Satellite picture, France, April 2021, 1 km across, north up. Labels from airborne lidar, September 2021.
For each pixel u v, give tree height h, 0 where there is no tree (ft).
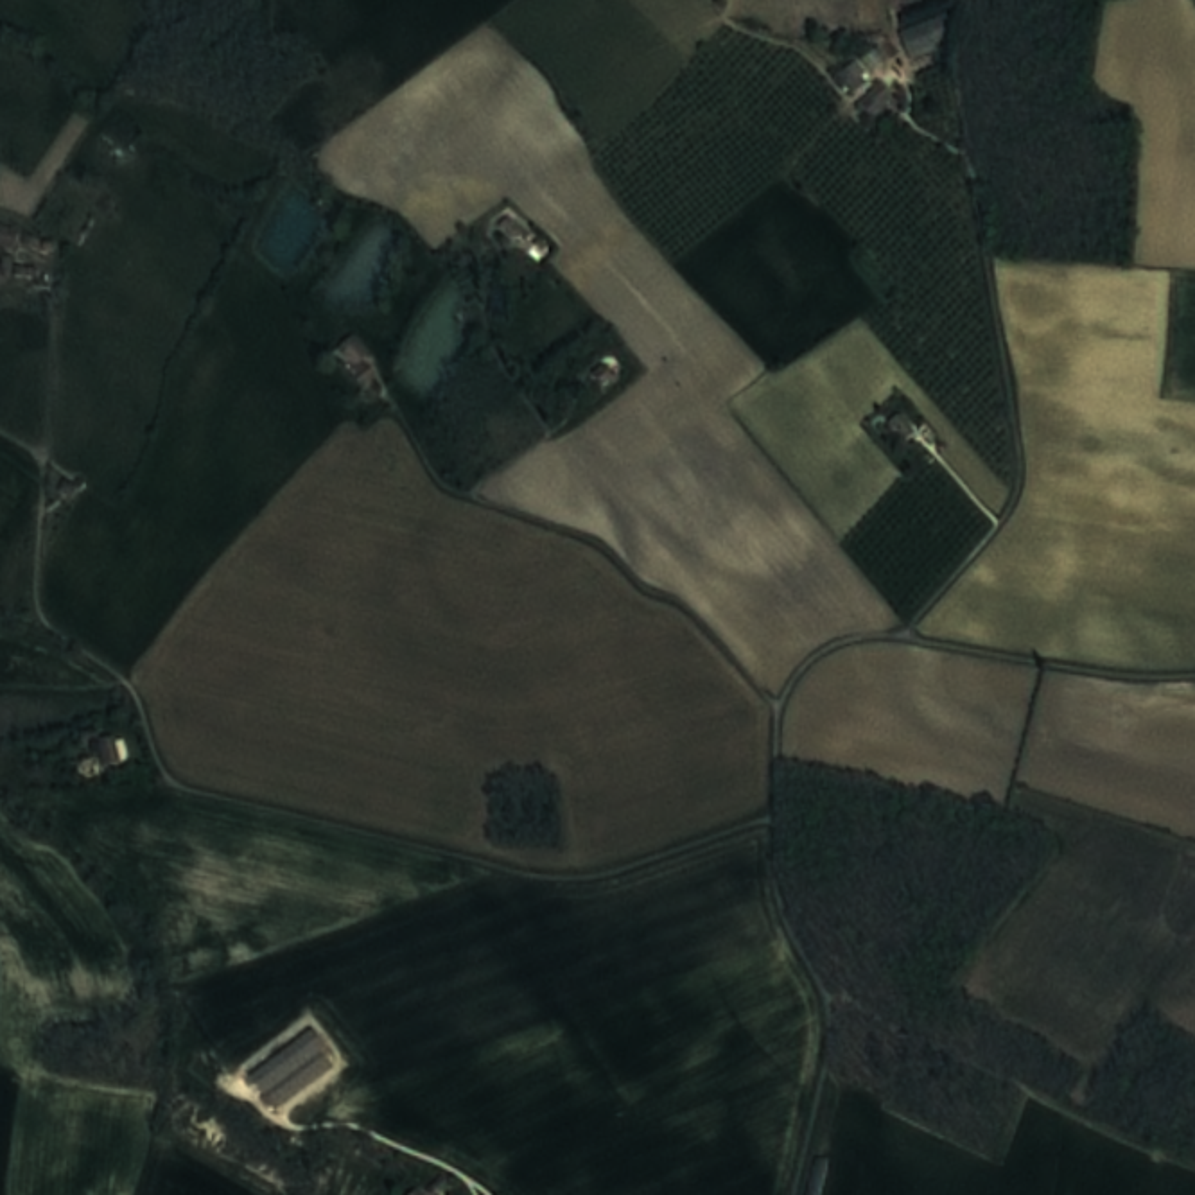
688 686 0
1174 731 0
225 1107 53
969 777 0
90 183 54
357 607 0
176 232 0
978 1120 47
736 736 0
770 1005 0
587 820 0
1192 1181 0
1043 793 0
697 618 0
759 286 0
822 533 0
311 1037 0
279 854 0
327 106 0
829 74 20
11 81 0
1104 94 43
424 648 0
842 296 0
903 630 0
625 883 0
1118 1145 0
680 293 0
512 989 0
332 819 0
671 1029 0
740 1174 0
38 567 0
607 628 0
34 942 0
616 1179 0
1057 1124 0
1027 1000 0
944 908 68
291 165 52
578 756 0
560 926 0
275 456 0
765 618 0
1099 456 0
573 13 0
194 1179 0
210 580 0
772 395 0
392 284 58
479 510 0
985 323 18
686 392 0
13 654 0
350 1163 0
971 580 0
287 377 0
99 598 0
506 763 0
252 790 0
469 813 0
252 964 0
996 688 0
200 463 0
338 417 0
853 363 0
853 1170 0
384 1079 0
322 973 0
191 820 0
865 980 59
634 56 0
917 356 17
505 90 0
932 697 0
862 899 68
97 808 0
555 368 48
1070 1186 0
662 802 0
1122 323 0
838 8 0
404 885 0
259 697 0
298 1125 0
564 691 0
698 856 0
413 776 0
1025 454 0
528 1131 0
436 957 0
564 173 0
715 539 0
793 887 63
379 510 0
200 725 0
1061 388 0
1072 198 52
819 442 0
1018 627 0
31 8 0
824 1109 0
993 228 62
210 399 0
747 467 0
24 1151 0
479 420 24
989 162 52
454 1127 0
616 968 0
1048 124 43
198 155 0
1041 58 67
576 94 0
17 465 0
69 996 0
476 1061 0
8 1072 0
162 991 49
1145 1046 53
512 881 0
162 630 0
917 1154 0
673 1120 0
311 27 0
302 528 0
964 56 44
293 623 0
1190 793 0
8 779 0
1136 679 0
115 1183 0
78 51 0
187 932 0
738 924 0
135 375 0
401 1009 0
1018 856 61
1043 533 0
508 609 0
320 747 0
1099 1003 0
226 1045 0
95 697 0
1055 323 0
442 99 0
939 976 64
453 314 0
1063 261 52
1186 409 0
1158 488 0
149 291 0
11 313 0
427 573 0
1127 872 0
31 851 0
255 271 0
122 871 0
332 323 0
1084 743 0
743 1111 0
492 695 0
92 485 0
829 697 0
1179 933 0
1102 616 0
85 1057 38
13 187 0
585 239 0
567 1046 0
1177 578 0
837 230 0
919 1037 51
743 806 0
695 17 0
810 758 0
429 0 0
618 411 0
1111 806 0
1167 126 0
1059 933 0
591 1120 0
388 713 0
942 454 0
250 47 42
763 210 0
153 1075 36
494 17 0
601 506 0
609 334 35
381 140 0
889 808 71
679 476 0
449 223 0
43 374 0
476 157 0
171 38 51
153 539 0
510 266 44
